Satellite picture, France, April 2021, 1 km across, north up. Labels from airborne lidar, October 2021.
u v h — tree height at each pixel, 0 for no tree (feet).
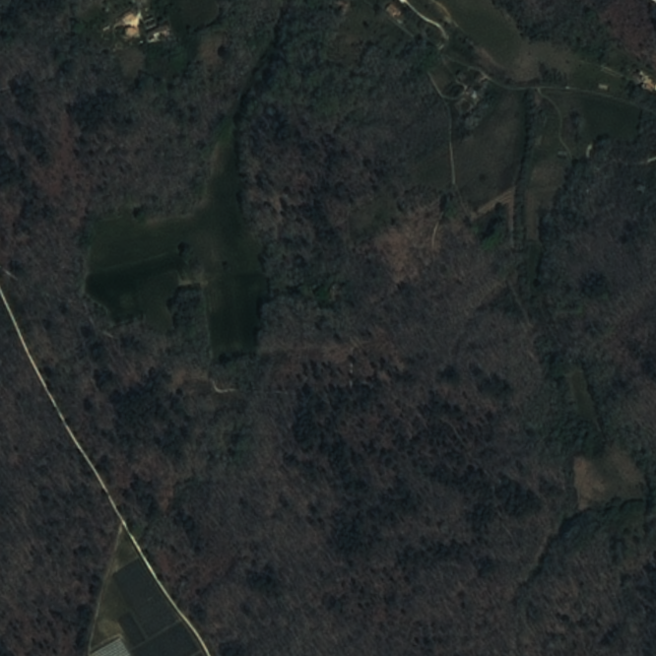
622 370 27
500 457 40
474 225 72
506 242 66
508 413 59
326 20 59
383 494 46
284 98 88
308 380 51
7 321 48
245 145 63
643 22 27
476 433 48
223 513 49
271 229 69
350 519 67
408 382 47
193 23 0
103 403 48
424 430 30
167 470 70
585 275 40
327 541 49
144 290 0
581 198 50
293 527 53
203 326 66
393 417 19
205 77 45
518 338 57
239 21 56
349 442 22
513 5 42
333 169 86
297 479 38
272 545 54
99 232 0
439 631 41
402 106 39
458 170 0
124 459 49
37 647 47
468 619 55
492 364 64
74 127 60
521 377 79
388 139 43
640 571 0
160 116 42
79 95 78
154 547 47
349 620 31
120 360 67
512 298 40
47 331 56
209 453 38
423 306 46
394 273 46
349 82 66
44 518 54
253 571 33
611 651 65
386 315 37
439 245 0
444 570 49
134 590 0
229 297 0
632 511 32
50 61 47
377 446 25
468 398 49
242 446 73
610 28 47
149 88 64
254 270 0
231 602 59
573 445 31
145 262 0
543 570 55
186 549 60
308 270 88
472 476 22
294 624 61
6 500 56
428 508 43
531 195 0
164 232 0
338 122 63
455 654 51
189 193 69
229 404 0
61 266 47
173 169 41
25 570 54
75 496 53
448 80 0
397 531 40
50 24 51
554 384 63
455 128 20
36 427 57
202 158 56
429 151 49
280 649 54
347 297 56
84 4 44
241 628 64
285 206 49
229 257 0
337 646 61
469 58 0
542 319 27
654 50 48
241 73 54
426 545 56
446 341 55
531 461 78
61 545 52
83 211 41
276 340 64
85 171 33
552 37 49
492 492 57
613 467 0
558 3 41
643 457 66
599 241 40
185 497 43
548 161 0
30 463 55
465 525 24
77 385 65
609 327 44
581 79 0
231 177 0
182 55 26
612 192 40
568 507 67
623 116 0
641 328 31
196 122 52
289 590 61
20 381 73
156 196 46
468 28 0
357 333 50
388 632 42
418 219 67
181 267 0
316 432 78
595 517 36
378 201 0
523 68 0
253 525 52
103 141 41
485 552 51
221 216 0
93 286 0
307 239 58
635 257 49
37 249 53
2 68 54
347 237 48
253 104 74
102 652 0
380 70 57
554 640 43
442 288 52
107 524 42
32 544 50
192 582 21
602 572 65
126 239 0
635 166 43
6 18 46
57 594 46
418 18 64
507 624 43
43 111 58
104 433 40
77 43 50
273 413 55
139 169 44
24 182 81
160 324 0
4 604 51
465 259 69
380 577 50
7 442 65
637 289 56
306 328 70
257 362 62
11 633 46
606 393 47
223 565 22
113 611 0
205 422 47
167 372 70
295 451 29
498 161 0
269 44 47
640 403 72
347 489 56
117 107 86
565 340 43
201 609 51
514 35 0
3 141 41
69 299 53
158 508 91
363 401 31
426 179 0
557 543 62
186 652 0
